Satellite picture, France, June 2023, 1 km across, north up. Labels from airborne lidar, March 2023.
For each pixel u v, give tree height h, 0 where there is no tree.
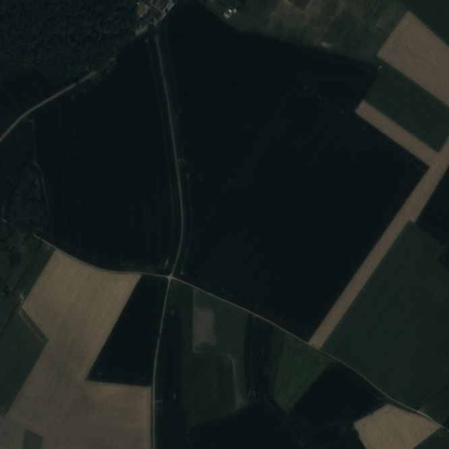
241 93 0
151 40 0
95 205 0
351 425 11
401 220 0
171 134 0
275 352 0
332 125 0
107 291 0
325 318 0
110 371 0
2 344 0
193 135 0
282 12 0
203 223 0
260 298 0
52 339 0
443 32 0
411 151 0
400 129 0
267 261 0
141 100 0
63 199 0
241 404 0
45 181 0
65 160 0
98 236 0
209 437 0
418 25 0
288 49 0
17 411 0
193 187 0
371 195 0
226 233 0
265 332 0
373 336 0
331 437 0
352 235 0
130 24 24
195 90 0
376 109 0
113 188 0
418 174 0
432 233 0
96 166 0
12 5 27
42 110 0
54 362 0
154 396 0
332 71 0
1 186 0
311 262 0
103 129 0
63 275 0
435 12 0
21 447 0
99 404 0
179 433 0
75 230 0
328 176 0
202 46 0
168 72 0
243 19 0
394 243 0
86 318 0
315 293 0
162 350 0
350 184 0
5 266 0
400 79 0
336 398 0
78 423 0
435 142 0
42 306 0
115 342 0
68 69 24
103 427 0
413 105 0
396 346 0
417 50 0
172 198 0
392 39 0
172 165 0
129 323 0
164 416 0
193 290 0
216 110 0
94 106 0
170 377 0
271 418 0
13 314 0
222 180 0
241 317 0
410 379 0
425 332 0
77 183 0
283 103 0
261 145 0
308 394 0
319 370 0
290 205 0
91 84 0
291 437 0
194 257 0
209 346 0
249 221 0
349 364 0
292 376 0
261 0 0
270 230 0
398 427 0
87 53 23
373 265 0
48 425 0
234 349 0
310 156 0
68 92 0
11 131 0
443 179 0
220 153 0
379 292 0
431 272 0
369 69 0
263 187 0
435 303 0
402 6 0
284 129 0
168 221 0
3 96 0
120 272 0
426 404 0
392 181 0
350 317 0
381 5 0
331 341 0
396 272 0
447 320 0
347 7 0
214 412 0
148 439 0
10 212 21
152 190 0
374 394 0
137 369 0
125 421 0
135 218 0
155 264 0
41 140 0
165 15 0
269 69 0
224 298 0
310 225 0
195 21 0
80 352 0
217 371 0
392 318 0
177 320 0
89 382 0
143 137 0
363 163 0
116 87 0
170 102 0
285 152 0
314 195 0
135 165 0
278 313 0
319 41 0
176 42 0
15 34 21
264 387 0
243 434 0
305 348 0
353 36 0
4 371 0
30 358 0
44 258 0
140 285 0
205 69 0
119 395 0
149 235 0
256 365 0
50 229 0
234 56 0
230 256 0
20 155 0
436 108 0
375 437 0
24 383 0
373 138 0
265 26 0
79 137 0
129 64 0
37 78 0
